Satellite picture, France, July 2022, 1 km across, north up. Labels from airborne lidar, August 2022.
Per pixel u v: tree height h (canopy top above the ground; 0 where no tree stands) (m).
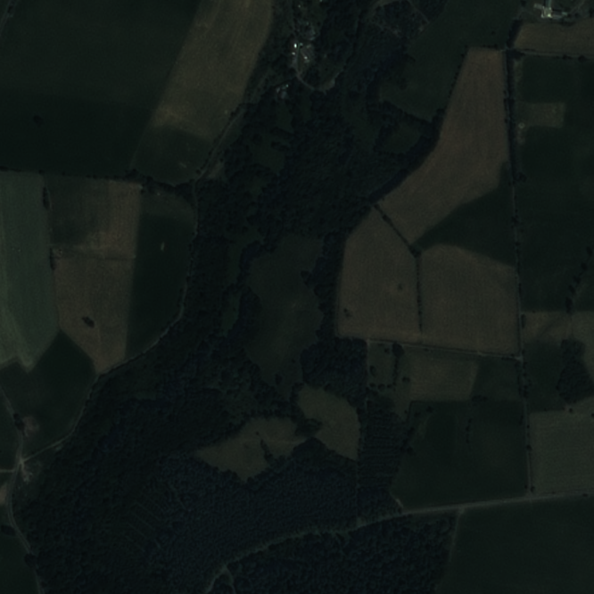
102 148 0
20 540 0
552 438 0
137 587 15
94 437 16
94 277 0
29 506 10
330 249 14
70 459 17
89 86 0
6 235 0
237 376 7
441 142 0
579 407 0
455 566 0
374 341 0
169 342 20
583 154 0
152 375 8
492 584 0
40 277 0
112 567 13
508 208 0
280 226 15
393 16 16
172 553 22
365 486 8
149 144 0
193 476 24
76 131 0
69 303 0
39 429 0
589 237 0
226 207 16
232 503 26
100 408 19
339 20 12
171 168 0
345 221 6
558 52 0
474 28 0
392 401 0
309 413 0
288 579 8
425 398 0
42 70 0
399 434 9
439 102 0
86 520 22
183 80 0
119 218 0
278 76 6
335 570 27
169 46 0
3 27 0
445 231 0
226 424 18
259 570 24
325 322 6
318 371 19
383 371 0
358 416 11
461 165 0
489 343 0
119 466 22
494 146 0
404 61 12
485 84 0
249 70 0
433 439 0
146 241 0
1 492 0
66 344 0
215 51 0
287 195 22
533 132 0
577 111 0
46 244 0
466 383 0
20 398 0
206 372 19
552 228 0
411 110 0
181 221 0
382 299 0
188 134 0
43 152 0
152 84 0
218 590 16
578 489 0
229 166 15
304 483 25
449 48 0
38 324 0
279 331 0
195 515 28
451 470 0
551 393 0
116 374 6
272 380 0
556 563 0
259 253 29
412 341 0
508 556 0
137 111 0
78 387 0
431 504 0
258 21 0
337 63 17
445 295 0
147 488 21
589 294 0
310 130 20
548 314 0
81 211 0
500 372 0
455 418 0
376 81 20
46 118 0
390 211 0
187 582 25
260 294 0
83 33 0
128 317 0
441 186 0
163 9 0
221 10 0
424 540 20
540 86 0
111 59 0
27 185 0
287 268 0
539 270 0
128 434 19
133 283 0
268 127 17
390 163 7
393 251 0
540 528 0
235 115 10
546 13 0
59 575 19
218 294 22
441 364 0
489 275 0
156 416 28
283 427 0
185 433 26
